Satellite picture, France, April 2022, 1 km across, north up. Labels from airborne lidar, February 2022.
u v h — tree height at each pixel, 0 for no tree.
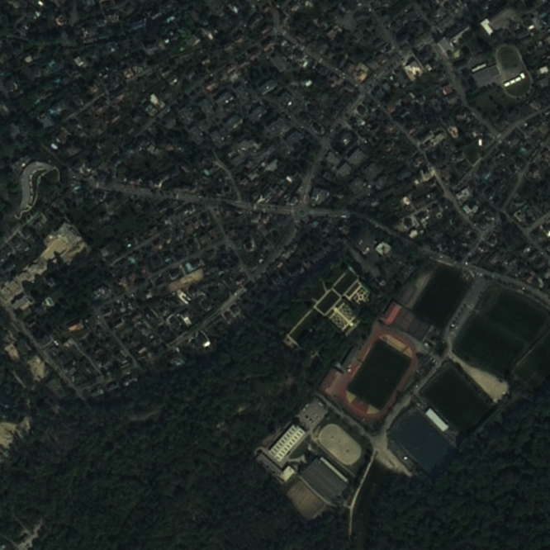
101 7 14
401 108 8
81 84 14
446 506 31
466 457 23
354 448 0
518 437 24
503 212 0
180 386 7
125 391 14
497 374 0
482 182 6
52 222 10
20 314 20
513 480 32
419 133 0
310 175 0
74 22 0
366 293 0
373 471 0
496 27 0
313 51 0
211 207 0
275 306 18
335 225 0
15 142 20
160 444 17
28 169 0
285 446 0
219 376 27
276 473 0
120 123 7
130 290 0
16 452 21
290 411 17
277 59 0
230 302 0
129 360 7
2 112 0
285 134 0
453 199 0
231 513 21
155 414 0
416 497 25
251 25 0
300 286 30
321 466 0
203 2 14
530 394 15
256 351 28
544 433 28
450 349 0
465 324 0
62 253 0
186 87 17
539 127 0
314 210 0
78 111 11
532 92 8
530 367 0
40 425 27
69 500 12
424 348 0
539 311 0
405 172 0
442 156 17
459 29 0
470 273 0
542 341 0
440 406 0
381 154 7
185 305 0
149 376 16
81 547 22
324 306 0
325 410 0
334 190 16
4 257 0
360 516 0
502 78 0
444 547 25
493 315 0
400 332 0
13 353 0
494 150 0
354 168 0
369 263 0
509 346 0
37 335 10
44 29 13
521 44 11
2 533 20
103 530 21
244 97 0
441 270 0
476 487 11
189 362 13
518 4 9
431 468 0
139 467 12
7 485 15
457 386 0
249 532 22
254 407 22
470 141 10
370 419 0
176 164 12
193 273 0
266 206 0
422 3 9
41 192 23
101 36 11
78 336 0
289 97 0
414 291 0
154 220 0
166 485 24
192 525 29
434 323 0
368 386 0
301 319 0
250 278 0
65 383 12
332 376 0
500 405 6
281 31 0
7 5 11
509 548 28
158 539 25
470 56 11
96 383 18
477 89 11
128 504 33
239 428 23
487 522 29
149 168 13
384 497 24
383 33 0
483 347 0
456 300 0
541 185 8
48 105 8
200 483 20
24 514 21
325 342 22
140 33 9
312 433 0
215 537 23
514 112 0
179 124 15
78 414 23
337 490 0
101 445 23
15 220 0
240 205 0
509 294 0
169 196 6
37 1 0
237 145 0
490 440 23
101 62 9
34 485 23
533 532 22
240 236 8
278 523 25
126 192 0
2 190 0
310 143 9
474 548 22
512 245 21
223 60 6
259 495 24
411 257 16
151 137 10
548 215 0
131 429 10
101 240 0
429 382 0
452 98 0
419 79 10
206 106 0
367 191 0
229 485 27
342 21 0
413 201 5
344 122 0
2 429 0
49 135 14
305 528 24
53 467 23
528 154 0
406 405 0
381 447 0
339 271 0
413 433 0
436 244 6
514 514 26
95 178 6
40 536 12
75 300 18
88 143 10
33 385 13
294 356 13
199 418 15
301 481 0
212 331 0
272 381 34
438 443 0
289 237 0
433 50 0
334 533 24
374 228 24
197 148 15
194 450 11
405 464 0
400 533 28
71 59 0
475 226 0
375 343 0
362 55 17
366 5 0
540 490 27
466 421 0
